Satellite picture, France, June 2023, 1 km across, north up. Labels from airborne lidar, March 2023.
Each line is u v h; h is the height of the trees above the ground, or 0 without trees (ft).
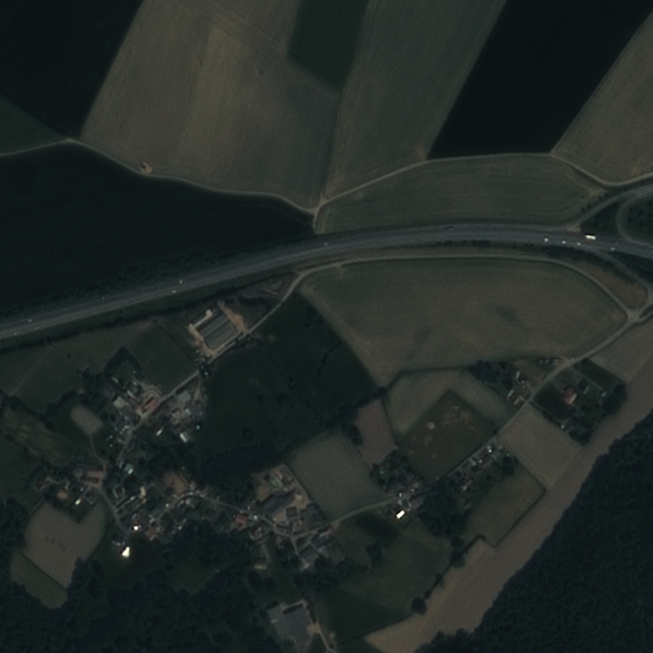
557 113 0
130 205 0
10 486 0
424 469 0
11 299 0
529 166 0
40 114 0
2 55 0
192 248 0
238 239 0
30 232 0
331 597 0
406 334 0
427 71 0
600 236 0
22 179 0
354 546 0
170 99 0
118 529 0
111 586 0
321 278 0
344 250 0
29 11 0
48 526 0
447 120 0
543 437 0
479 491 0
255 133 0
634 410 0
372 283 0
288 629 0
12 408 38
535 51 0
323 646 0
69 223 0
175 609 79
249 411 0
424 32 0
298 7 0
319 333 0
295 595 0
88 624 0
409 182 0
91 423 0
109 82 0
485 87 0
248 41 0
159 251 0
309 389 0
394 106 0
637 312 0
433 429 0
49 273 0
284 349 0
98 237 0
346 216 0
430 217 0
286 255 0
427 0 0
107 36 0
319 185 0
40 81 0
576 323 0
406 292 0
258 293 0
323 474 0
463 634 49
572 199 0
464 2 0
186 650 86
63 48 0
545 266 0
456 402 0
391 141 0
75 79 0
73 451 0
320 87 0
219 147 0
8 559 51
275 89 0
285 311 0
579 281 0
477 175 0
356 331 0
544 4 0
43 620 78
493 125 0
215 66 0
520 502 0
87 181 0
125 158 0
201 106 0
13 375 0
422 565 0
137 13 0
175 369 0
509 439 0
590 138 0
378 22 0
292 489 0
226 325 0
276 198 0
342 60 0
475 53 0
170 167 0
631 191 0
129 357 47
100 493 0
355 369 0
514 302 0
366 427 0
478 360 0
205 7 0
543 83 0
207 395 0
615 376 0
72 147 0
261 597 0
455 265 0
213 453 0
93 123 0
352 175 0
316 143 0
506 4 0
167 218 0
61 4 0
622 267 0
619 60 0
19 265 0
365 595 0
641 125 0
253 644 64
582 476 0
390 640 0
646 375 0
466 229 0
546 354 0
